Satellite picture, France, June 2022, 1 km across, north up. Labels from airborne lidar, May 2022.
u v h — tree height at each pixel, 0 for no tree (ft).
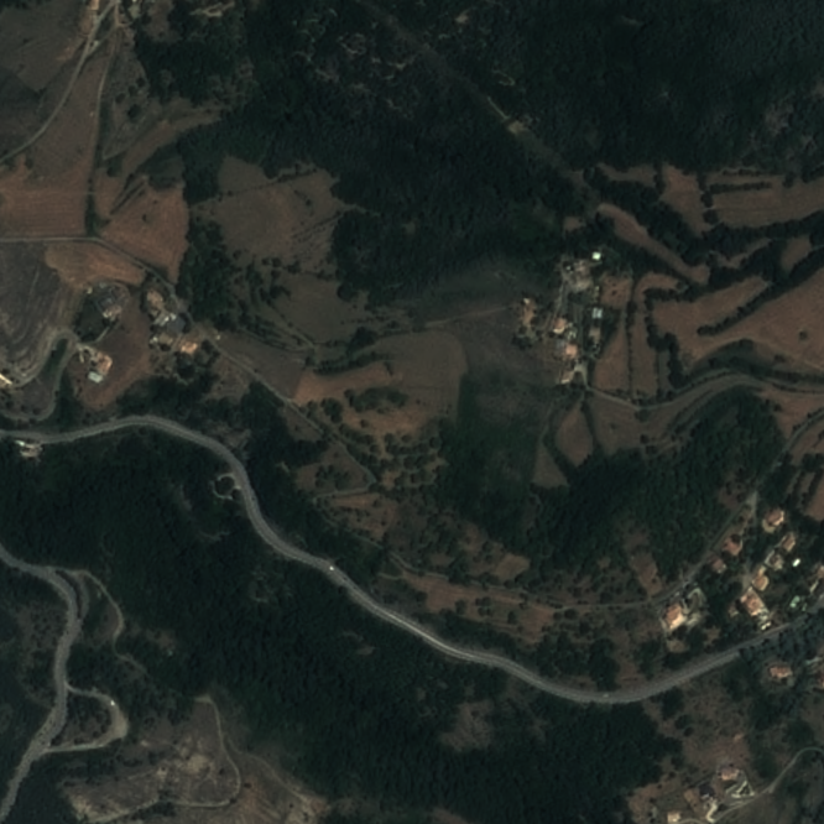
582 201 19
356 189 29
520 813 42
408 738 52
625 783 52
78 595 26
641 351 0
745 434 36
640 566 0
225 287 26
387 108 34
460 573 27
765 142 26
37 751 0
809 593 43
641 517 26
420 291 23
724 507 23
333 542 27
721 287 45
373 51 28
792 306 0
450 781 53
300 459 50
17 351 0
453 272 30
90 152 0
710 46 38
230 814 0
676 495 35
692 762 0
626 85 42
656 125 38
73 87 0
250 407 27
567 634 23
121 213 0
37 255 0
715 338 0
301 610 34
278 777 0
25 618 0
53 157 0
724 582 31
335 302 0
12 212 0
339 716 31
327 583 36
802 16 66
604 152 39
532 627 0
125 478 52
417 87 26
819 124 61
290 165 40
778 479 35
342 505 0
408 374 0
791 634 54
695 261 45
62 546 42
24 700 34
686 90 33
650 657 26
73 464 23
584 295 49
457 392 0
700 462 31
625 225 0
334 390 0
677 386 25
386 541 24
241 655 53
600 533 33
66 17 0
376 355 24
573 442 0
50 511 44
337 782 33
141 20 24
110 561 22
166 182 0
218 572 51
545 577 34
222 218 0
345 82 44
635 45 57
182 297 29
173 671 32
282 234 0
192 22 42
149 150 0
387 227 39
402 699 45
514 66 19
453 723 25
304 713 58
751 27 36
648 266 37
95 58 0
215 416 23
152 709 30
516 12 63
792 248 0
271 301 34
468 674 34
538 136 36
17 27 0
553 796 31
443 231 37
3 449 27
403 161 41
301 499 31
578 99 34
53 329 0
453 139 44
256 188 0
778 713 29
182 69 50
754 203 0
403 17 36
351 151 33
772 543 36
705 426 37
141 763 22
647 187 32
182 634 44
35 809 56
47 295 0
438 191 33
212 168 26
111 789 0
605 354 0
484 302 0
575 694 0
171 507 46
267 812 0
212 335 0
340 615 43
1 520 38
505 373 0
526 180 54
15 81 0
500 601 0
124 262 0
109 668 35
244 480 0
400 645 46
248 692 42
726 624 30
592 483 49
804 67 47
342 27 42
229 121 35
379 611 0
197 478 64
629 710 42
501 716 24
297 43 55
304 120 43
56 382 0
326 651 42
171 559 48
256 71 31
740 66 51
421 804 29
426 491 40
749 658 75
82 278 0
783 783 0
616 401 0
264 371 0
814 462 28
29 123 0
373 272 35
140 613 40
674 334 32
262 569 24
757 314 0
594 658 51
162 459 25
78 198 0
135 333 0
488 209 34
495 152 56
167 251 0
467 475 31
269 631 42
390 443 28
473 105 40
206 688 25
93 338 20
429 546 34
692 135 44
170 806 26
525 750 27
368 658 29
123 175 0
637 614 0
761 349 0
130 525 49
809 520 38
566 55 43
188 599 44
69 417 31
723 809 37
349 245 24
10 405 27
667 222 51
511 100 35
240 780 0
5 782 37
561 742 38
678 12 35
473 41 30
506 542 28
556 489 29
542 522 45
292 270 24
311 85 37
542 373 0
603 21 72
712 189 26
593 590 22
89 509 49
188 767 0
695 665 0
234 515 43
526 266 23
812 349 0
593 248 22
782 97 27
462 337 0
